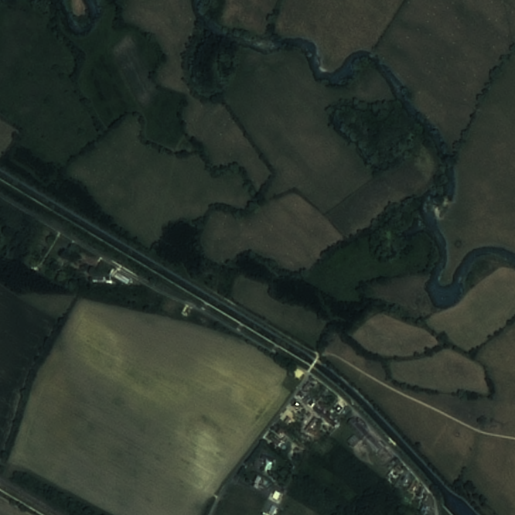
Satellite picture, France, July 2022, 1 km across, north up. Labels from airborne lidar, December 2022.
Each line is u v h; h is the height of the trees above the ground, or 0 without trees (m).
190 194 0
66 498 11
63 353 0
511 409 0
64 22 9
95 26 0
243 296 0
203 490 0
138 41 0
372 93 0
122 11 12
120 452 0
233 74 13
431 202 0
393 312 20
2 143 0
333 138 0
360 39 0
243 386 0
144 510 0
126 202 0
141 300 0
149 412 0
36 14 0
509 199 0
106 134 11
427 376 0
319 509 7
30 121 0
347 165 0
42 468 0
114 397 0
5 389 0
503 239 0
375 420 0
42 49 0
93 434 0
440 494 13
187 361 0
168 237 12
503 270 0
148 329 0
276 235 0
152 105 0
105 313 0
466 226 0
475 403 0
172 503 0
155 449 0
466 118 0
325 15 0
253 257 15
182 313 0
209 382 0
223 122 0
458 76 0
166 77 0
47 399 0
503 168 0
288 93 0
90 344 0
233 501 0
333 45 0
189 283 0
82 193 10
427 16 0
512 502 0
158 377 0
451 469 0
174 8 0
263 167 0
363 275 0
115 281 8
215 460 0
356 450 0
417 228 0
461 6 0
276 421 0
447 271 0
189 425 0
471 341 0
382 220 12
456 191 0
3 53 0
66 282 12
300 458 21
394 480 13
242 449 0
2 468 11
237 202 0
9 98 0
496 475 0
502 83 0
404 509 7
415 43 0
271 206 0
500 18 0
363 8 0
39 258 7
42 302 0
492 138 0
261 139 0
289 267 0
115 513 0
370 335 0
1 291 0
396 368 0
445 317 0
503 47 0
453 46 0
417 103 0
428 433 0
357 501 12
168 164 0
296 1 0
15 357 0
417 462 0
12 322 0
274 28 11
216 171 13
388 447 0
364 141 11
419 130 10
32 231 16
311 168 0
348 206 0
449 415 0
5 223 6
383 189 0
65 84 0
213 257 0
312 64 0
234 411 0
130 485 0
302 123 0
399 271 0
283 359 21
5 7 0
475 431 0
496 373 0
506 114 0
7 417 0
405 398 0
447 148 20
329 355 0
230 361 0
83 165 0
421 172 0
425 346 0
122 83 0
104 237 0
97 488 0
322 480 0
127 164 0
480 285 0
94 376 0
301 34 0
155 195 0
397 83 0
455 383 0
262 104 0
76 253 7
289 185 0
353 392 0
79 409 0
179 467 0
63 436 0
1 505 0
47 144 0
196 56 8
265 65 0
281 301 13
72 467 0
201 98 15
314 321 0
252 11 0
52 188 9
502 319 0
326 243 0
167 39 0
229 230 0
